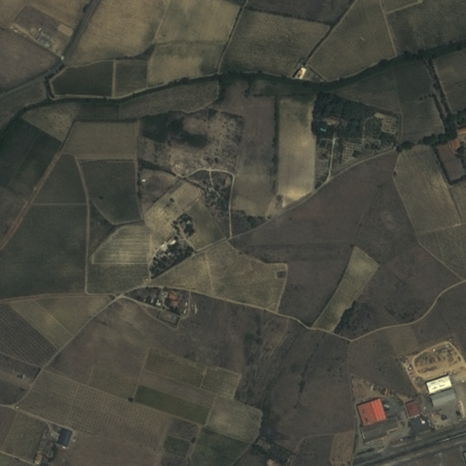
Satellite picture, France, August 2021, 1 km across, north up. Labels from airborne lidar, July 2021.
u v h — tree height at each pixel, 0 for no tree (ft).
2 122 0
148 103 0
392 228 0
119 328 0
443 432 0
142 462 0
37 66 0
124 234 0
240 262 0
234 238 0
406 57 32
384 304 0
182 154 0
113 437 0
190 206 0
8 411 0
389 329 0
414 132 0
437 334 0
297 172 0
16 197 0
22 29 0
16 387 0
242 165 0
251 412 0
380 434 0
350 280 0
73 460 0
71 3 0
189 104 0
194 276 0
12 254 0
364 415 0
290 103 0
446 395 0
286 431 0
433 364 0
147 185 0
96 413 0
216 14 0
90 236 0
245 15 0
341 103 39
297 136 0
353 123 65
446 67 0
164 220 0
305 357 0
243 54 0
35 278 0
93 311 0
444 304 0
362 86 0
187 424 0
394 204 0
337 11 0
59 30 0
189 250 30
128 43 0
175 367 0
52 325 0
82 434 0
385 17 0
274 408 0
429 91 0
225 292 0
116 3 0
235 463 0
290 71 0
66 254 0
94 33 0
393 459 0
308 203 0
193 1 0
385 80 0
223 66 0
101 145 0
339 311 0
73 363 0
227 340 0
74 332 0
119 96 0
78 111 0
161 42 0
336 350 0
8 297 0
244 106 0
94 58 0
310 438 0
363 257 0
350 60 0
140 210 0
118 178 0
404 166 0
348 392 0
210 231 0
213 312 0
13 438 0
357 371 0
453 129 45
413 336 0
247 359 0
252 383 0
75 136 0
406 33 0
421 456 0
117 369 0
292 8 0
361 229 0
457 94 0
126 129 0
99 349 0
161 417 0
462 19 0
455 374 0
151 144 0
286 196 0
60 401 0
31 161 0
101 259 0
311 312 0
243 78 18
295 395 0
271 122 0
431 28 0
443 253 0
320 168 0
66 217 0
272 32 0
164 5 0
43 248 0
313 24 0
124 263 0
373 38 0
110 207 0
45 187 0
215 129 0
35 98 0
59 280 0
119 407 0
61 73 0
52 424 0
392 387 0
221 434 0
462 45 25
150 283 0
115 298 0
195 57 0
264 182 0
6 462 0
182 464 0
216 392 0
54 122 0
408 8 0
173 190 0
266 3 0
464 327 0
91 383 0
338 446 0
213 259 0
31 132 0
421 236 0
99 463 0
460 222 0
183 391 0
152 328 0
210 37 0
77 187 0
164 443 0
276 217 0
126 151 0
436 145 35
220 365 0
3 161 0
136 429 0
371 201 0
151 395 0
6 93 0
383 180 0
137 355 0
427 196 0
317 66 0
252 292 0
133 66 0
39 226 0
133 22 0
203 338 0
